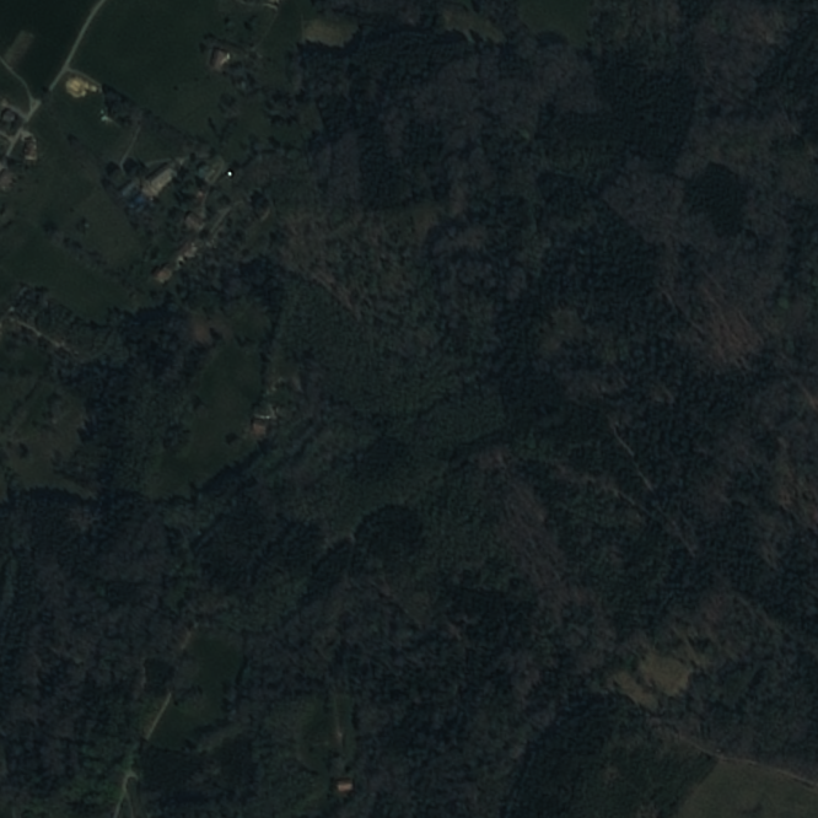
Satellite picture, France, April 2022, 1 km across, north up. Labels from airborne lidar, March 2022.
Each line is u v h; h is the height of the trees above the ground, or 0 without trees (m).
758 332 31
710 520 27
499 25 26
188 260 9
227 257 20
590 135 25
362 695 14
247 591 12
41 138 0
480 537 15
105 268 14
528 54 26
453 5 18
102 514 25
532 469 13
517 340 20
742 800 0
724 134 32
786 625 22
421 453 15
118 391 28
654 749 26
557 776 16
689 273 24
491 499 13
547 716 27
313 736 0
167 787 8
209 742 23
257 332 0
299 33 0
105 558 31
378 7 24
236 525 23
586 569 13
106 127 0
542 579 15
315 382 27
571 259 20
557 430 16
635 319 26
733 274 31
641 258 29
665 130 18
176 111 0
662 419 28
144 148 0
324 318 19
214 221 14
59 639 31
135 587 21
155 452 19
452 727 14
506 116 35
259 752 20
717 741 16
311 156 18
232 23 11
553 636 7
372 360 16
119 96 17
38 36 0
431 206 13
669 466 22
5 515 17
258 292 17
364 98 22
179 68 0
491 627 10
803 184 16
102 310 0
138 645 30
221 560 18
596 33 9
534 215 15
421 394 14
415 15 28
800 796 0
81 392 17
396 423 16
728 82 34
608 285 22
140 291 6
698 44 31
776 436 25
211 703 0
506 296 16
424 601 7
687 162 28
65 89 0
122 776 14
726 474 26
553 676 13
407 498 16
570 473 19
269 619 12
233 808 21
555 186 24
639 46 12
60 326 17
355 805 17
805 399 36
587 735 28
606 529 14
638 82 22
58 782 22
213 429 0
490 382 14
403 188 31
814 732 24
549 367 17
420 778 26
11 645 28
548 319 14
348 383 18
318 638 32
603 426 11
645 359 21
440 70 32
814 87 23
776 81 26
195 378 9
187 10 0
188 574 17
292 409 6
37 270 0
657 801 8
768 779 0
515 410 23
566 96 28
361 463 18
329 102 27
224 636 21
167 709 0
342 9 27
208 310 14
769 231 28
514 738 10
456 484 11
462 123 34
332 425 20
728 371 26
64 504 18
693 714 16
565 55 32
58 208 0
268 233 0
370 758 16
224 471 0
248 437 0
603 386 25
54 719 27
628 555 21
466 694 14
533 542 21
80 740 15
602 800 12
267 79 0
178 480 0
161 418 18
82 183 0
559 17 0
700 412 26
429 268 13
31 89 0
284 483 22
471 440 15
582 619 14
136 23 0
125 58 0
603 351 13
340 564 19
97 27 0
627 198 29
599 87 22
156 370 8
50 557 28
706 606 30
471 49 30
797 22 23
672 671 0
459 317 27
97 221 0
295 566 29
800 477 31
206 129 0
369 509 16
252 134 0
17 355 20
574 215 28
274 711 23
